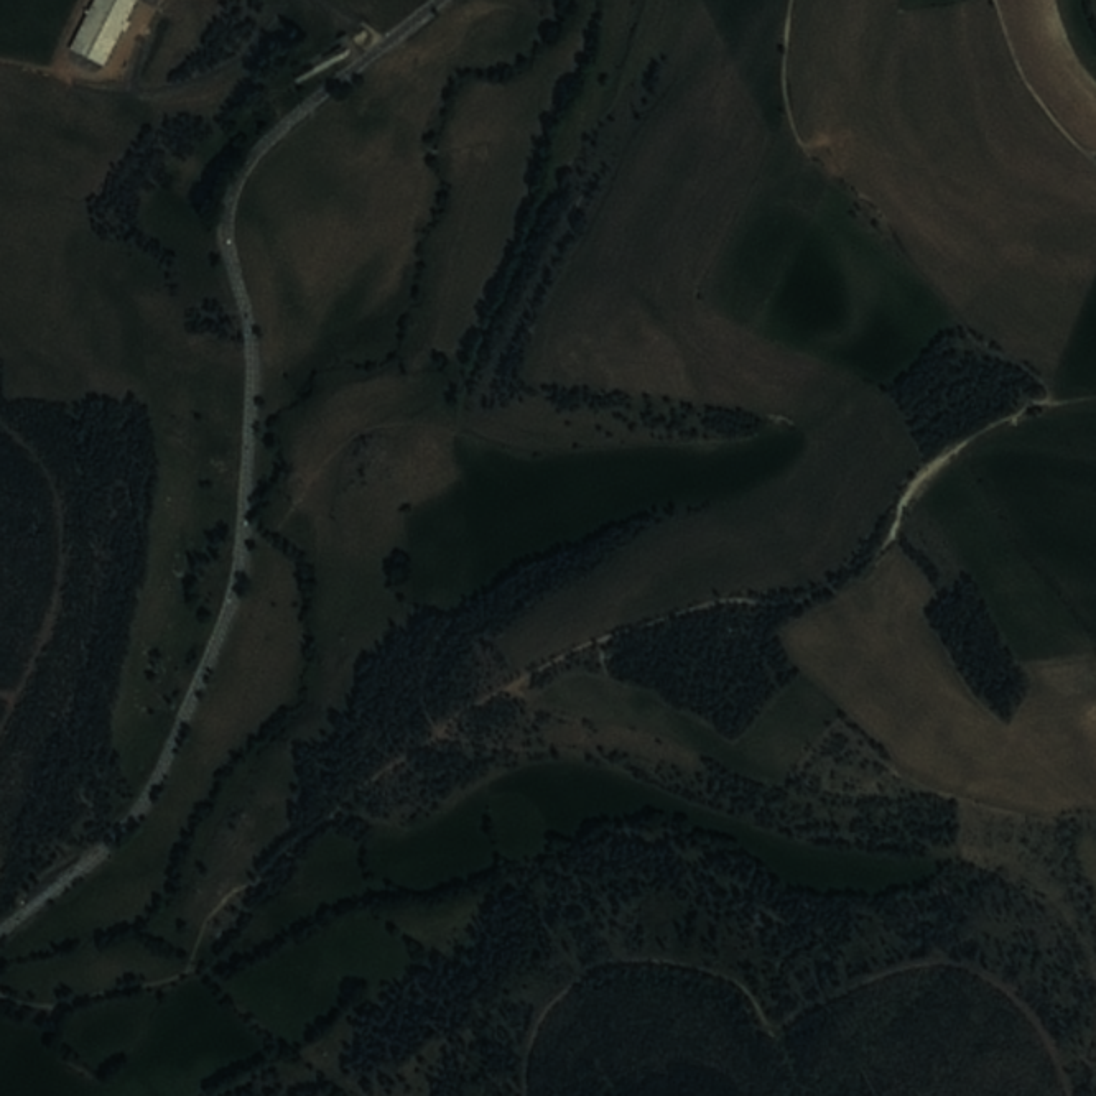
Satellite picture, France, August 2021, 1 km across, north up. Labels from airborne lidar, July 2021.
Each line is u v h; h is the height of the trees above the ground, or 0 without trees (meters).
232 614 0
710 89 0
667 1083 7
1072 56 0
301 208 0
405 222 0
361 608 0
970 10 0
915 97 0
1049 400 0
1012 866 0
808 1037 12
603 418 0
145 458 14
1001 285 0
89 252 0
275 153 0
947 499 0
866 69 0
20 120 0
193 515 0
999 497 0
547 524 0
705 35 0
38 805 12
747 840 0
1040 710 0
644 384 0
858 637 0
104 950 14
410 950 13
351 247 0
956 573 0
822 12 0
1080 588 0
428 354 0
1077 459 0
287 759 0
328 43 0
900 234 0
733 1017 8
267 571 0
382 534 0
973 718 0
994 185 0
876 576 0
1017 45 0
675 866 19
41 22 0
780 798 8
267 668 0
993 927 0
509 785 0
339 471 0
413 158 0
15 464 6
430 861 0
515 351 8
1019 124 0
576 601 0
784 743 0
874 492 0
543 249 10
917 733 0
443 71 0
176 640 0
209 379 0
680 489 0
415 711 8
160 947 12
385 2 0
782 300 0
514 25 0
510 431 0
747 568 0
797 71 0
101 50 0
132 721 0
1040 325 0
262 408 15
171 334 0
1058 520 0
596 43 18
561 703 0
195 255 0
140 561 15
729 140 0
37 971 0
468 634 11
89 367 0
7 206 0
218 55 10
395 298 0
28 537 6
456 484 0
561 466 0
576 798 0
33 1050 0
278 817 0
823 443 0
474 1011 9
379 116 0
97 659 13
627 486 0
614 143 0
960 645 10
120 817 0
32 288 0
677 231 0
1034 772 0
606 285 0
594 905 14
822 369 0
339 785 17
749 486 0
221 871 0
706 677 11
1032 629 0
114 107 0
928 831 10
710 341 0
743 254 0
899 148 0
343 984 0
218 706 0
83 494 7
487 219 0
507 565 0
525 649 0
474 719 9
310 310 0
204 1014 0
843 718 9
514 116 0
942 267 0
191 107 0
